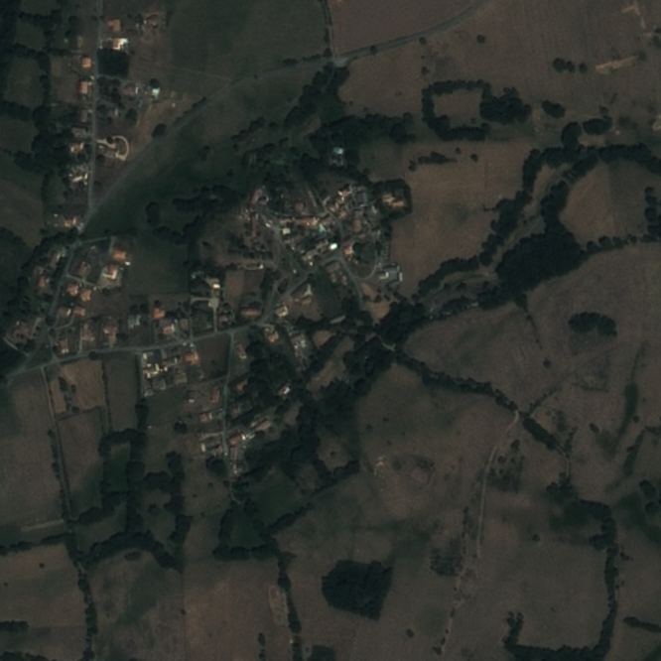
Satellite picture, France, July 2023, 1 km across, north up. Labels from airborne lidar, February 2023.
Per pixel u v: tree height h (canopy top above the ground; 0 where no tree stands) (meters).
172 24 0
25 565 0
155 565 0
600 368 0
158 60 0
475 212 0
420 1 0
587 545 0
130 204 0
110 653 0
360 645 0
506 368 0
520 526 0
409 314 19
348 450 0
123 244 0
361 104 0
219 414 0
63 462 0
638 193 0
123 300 0
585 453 0
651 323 0
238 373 0
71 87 0
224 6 0
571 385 0
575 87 0
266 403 14
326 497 0
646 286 0
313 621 0
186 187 0
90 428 0
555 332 0
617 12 0
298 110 14
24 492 0
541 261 21
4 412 0
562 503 0
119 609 0
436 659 0
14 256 0
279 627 0
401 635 0
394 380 0
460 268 21
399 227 0
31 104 0
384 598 16
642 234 0
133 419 0
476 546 0
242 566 0
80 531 0
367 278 0
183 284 0
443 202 0
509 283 14
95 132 0
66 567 0
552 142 0
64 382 8
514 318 0
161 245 0
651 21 0
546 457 0
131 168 0
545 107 11
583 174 21
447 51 0
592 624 0
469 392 14
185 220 0
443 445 0
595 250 14
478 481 0
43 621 0
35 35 0
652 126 0
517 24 0
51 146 17
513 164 0
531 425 13
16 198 0
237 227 0
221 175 0
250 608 0
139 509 18
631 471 0
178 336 0
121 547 14
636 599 0
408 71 0
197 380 0
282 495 0
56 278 12
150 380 9
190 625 0
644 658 0
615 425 0
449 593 0
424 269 0
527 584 0
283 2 0
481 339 0
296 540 0
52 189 0
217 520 0
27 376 0
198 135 0
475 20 0
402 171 0
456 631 0
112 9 0
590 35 0
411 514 0
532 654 19
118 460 0
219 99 0
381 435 0
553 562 0
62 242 15
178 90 0
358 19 0
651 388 0
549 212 21
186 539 11
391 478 0
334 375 0
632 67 0
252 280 0
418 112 0
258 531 9
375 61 0
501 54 0
